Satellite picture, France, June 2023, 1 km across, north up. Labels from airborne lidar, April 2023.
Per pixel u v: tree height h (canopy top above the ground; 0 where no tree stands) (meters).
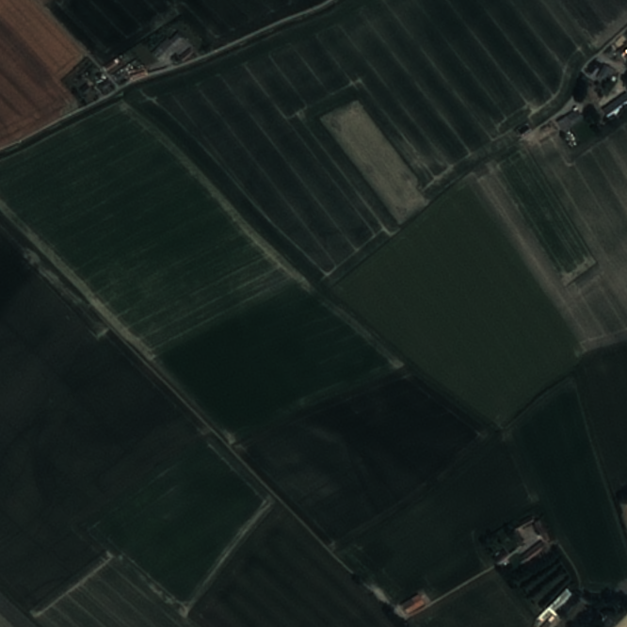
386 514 0
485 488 0
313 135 0
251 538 0
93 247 0
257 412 0
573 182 0
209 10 0
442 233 0
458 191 0
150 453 0
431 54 0
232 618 0
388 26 0
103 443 0
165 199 0
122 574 0
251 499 0
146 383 0
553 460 0
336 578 0
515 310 0
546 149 0
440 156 0
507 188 0
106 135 0
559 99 0
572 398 0
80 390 0
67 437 0
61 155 0
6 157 0
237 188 0
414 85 0
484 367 0
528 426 0
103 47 0
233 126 0
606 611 14
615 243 0
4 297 0
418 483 0
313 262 0
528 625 0
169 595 0
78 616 0
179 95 0
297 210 0
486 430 0
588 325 0
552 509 0
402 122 0
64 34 0
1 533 0
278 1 0
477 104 0
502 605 0
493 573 0
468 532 0
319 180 0
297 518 0
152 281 0
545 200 0
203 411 0
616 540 0
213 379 0
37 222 0
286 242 0
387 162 0
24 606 0
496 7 0
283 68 0
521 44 0
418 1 0
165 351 0
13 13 0
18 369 0
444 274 0
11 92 0
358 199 0
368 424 0
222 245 0
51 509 0
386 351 0
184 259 0
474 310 0
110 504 0
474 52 0
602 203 0
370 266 0
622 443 0
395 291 0
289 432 0
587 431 0
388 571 0
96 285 0
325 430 0
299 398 0
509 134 0
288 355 0
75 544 0
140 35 0
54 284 0
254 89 0
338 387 0
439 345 0
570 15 0
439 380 0
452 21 0
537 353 0
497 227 0
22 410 0
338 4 0
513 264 0
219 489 0
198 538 0
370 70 0
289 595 0
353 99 0
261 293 0
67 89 0
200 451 0
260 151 0
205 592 0
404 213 0
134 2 0
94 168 0
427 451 0
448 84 0
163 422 0
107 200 0
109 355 0
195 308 0
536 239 0
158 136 0
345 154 0
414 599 0
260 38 0
